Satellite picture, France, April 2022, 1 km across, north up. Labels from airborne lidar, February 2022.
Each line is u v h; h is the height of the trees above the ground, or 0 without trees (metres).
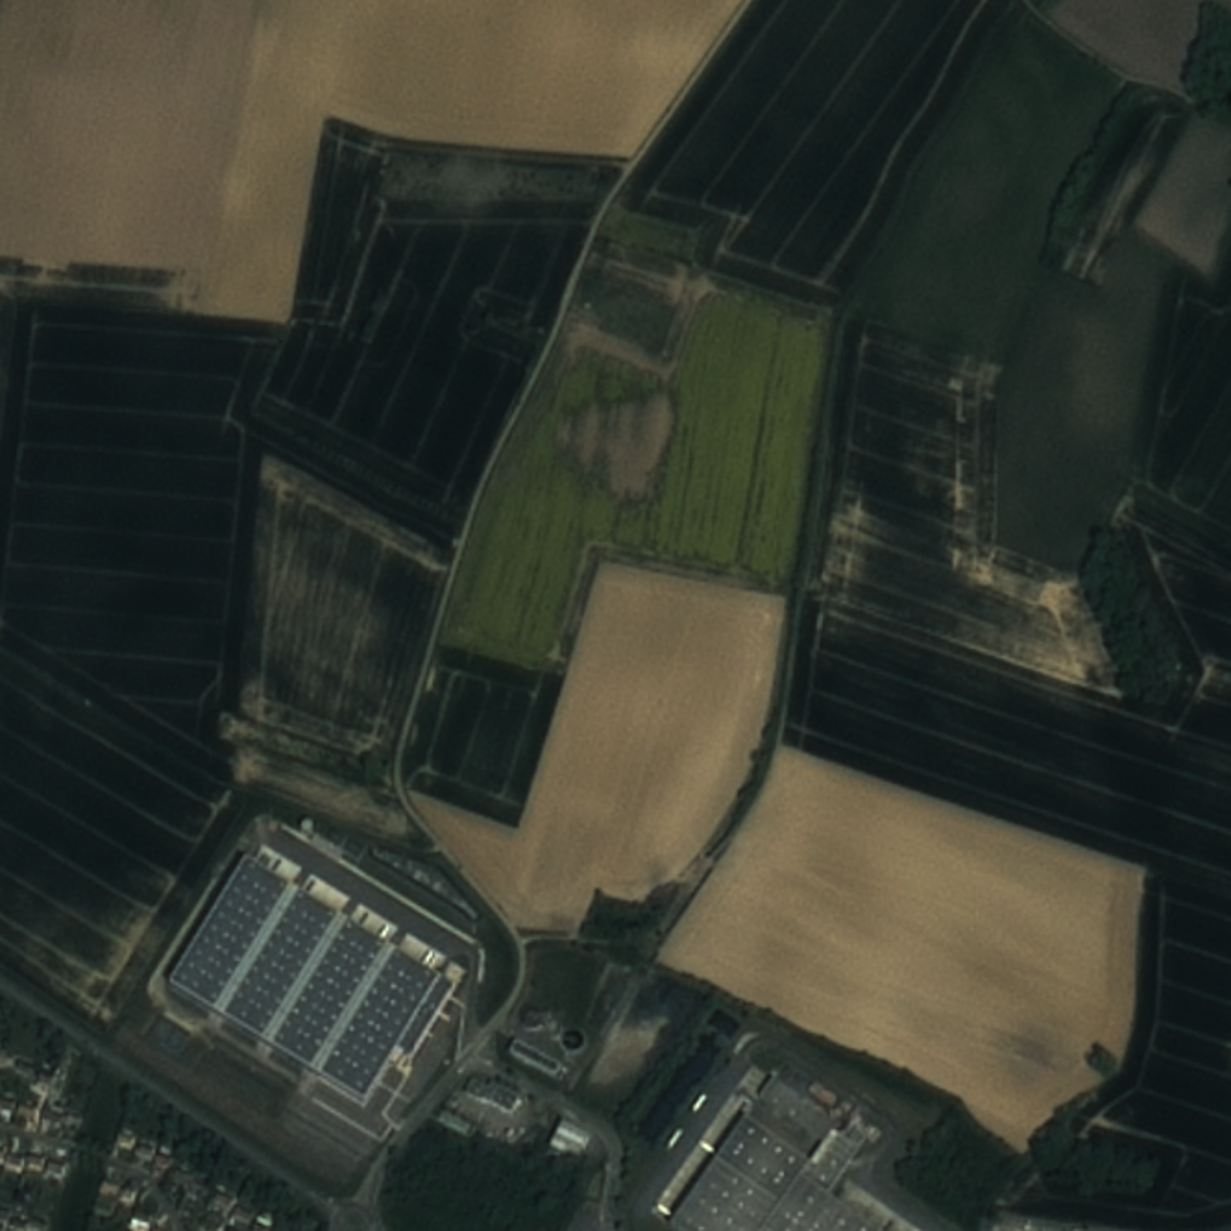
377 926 0
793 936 0
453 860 0
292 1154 0
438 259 0
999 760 0
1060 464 0
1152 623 15
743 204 0
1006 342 0
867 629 0
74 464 0
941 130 0
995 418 0
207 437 0
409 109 0
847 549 0
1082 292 0
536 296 0
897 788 0
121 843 0
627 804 0
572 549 0
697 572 0
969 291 0
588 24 0
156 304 0
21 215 0
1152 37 0
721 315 0
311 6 0
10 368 0
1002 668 0
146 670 0
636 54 0
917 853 0
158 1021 0
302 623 0
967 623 0
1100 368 0
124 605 0
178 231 0
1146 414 0
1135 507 0
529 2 0
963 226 0
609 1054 0
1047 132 0
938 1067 0
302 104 0
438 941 0
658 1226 0
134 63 0
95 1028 0
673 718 0
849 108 0
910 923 0
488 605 0
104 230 0
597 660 0
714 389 0
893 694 0
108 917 0
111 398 0
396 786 0
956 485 0
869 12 0
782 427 0
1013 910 0
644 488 0
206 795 0
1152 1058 0
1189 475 0
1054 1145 16
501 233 0
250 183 0
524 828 0
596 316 0
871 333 0
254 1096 0
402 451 0
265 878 0
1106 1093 0
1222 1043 0
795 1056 0
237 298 0
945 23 0
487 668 0
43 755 0
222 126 0
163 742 0
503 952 0
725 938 0
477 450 0
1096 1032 0
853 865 0
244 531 0
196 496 0
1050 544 0
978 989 0
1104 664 0
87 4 0
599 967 0
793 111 0
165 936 0
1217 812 0
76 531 0
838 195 0
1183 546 0
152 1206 0
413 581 0
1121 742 0
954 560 0
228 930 0
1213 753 0
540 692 0
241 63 0
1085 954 0
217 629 0
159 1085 0
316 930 0
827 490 0
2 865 0
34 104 0
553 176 0
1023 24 0
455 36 0
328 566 0
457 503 0
